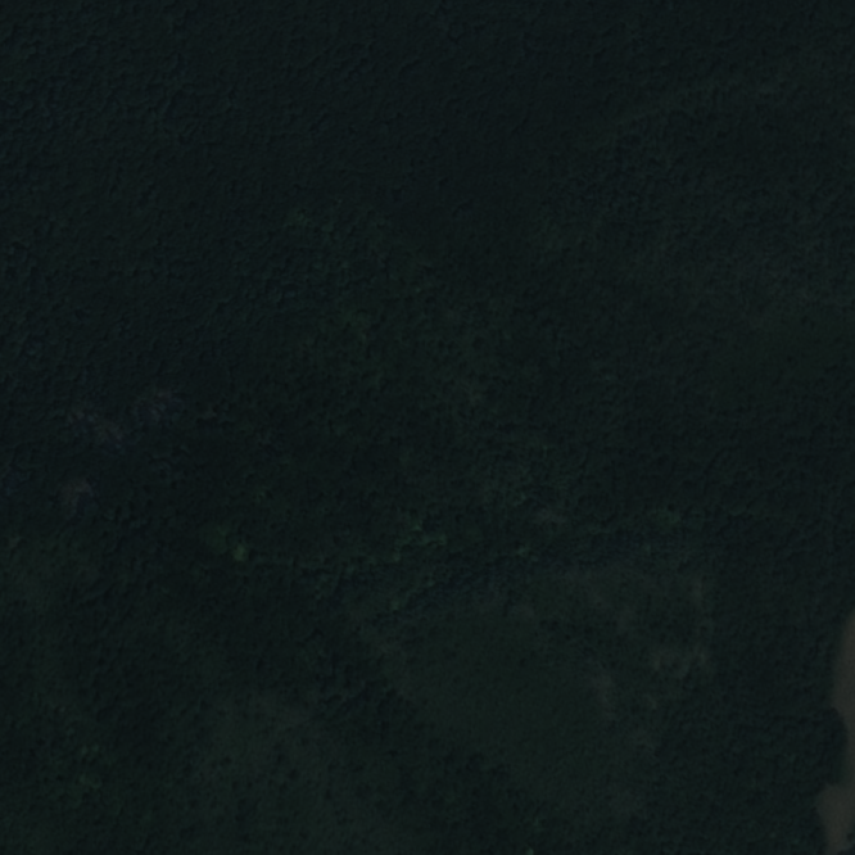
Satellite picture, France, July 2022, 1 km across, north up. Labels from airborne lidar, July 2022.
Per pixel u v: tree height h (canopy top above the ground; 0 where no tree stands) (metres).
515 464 27
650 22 27
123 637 7
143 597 13
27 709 21
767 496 22
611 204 18
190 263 34
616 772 14
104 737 16
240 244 27
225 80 34
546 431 19
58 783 30
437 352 8
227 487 28
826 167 28
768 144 26
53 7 23
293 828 7
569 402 19
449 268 28
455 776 24
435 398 16
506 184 32
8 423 29
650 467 27
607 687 19
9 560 12
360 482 23
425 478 9
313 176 31
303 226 30
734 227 27
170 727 9
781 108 19
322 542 7
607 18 29
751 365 12
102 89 30
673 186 27
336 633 23
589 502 22
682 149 21
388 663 17
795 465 17
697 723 14
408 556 26
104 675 24
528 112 30
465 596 8
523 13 33
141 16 29
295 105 30
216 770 6
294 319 21
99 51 32
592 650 24
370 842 16
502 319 25
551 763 8
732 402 12
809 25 25
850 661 0
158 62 33
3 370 32
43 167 29
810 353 13
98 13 33
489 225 13
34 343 33
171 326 35
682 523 15
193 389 28
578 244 14
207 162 31
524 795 26
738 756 23
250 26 31
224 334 25
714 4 29
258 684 8
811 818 25
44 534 18
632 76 21
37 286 36
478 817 22
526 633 8
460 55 36
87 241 32
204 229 31
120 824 22
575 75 27
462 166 30
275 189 31
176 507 16
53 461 30
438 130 30
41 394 31
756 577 18
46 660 7
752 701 13
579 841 24
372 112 30
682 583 7
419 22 32
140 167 30
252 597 22
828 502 23
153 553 26
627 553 13
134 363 30
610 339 17
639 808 7
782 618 14
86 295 34
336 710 19
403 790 14
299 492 25
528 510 22
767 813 21
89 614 21
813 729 24
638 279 6
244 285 31
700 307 19
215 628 16
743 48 24
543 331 25
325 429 29
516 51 32
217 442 34
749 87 14
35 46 27
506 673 8
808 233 22
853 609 13
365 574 13
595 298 16
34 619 13
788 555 11
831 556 14
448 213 25
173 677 13
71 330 34
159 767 12
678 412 15
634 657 11
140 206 36
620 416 18
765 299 15
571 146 23
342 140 34
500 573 14
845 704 0
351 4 29
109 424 30
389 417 24
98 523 25
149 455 27
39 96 28
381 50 34
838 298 6
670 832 22
